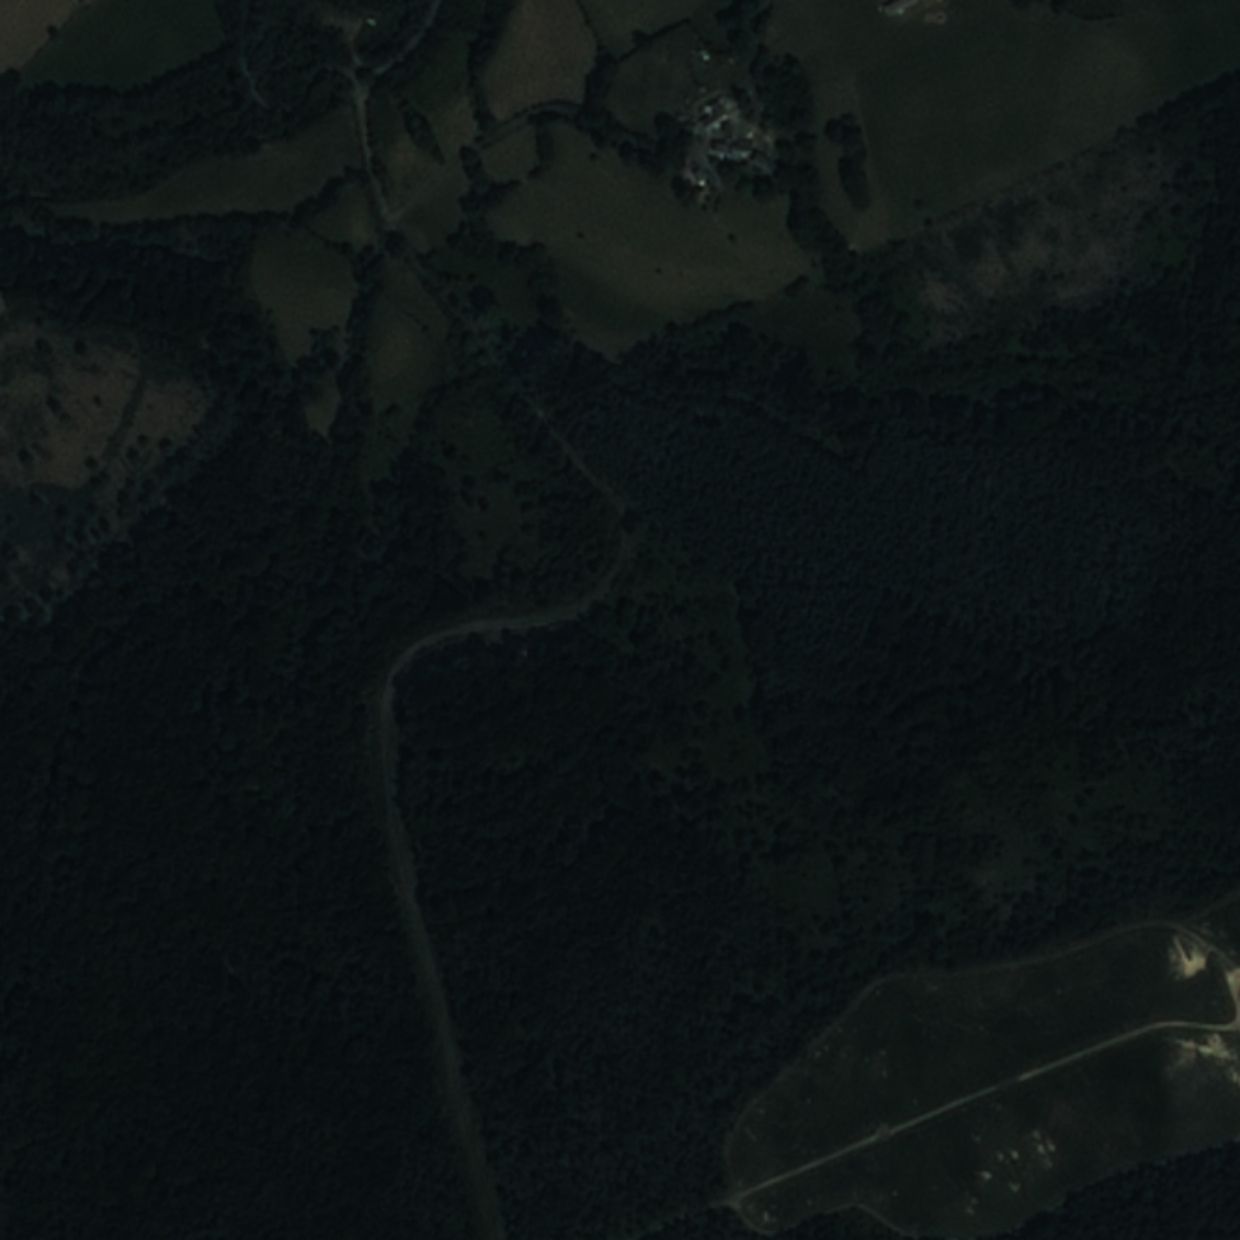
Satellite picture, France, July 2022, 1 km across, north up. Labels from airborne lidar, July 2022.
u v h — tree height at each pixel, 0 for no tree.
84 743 25
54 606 6
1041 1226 17
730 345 17
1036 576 18
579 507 16
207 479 22
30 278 24
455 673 22
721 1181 15
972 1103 0
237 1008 27
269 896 26
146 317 22
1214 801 19
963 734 25
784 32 0
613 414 19
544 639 21
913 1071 0
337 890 24
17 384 0
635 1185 17
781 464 15
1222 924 0
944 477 15
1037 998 0
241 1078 25
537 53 0
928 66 0
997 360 14
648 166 17
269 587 17
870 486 14
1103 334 9
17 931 22
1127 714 9
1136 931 0
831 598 20
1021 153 0
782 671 24
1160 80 0
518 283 0
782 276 0
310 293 0
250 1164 25
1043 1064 0
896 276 6
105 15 0
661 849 20
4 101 17
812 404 20
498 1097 18
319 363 12
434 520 16
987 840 7
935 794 22
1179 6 0
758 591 14
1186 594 21
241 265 16
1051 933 17
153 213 0
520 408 16
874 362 18
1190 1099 0
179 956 24
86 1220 25
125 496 13
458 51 0
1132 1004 0
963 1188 0
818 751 15
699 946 17
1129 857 8
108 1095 20
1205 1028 0
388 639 20
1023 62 0
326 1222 20
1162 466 17
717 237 0
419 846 18
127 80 0
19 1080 21
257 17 22
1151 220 8
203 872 24
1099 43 0
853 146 20
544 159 10
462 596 23
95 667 29
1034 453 15
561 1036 20
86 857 25
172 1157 24
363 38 0
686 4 0
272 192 0
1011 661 27
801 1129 0
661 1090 18
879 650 27
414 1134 19
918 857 13
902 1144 0
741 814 11
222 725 26
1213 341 23
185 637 24
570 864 22
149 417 0
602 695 26
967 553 18
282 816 27
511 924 20
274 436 17
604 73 17
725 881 21
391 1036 24
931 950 8
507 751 14
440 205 0
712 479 19
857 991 6
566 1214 20
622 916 26
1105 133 0
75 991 27
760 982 8
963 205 0
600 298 0
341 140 0
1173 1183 16
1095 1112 0
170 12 0
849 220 0
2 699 16
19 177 22
